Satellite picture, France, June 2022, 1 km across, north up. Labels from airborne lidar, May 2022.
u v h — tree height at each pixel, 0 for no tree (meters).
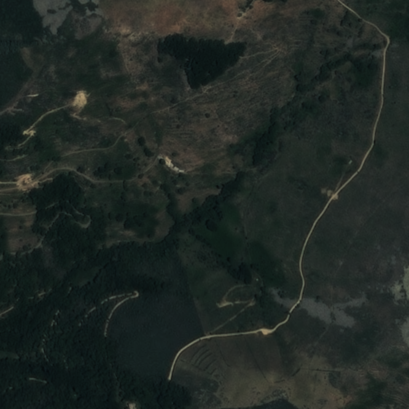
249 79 0
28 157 0
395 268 0
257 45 0
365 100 0
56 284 8
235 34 0
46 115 0
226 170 0
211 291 0
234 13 0
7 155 10
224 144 0
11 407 13
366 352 0
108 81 0
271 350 0
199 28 0
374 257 0
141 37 0
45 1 0
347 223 0
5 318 9
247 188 0
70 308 8
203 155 0
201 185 0
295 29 0
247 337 0
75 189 11
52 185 14
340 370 0
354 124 0
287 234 0
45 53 0
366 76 0
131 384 7
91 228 10
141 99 0
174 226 16
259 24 0
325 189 0
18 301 9
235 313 0
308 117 0
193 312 0
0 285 15
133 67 0
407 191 0
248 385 0
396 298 0
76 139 0
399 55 0
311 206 0
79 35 0
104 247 10
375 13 0
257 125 0
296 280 0
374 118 0
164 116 0
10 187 0
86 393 14
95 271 0
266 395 0
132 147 0
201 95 0
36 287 7
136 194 0
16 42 11
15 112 0
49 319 12
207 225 12
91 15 0
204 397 0
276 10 0
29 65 0
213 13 0
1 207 0
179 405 17
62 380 25
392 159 0
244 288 0
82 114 0
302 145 0
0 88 0
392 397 0
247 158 0
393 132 0
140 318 0
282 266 0
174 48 20
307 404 0
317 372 0
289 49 0
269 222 0
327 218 0
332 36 0
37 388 6
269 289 0
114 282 10
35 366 10
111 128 0
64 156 0
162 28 0
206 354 0
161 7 0
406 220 0
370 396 0
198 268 0
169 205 14
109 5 0
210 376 0
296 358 0
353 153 0
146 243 12
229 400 0
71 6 0
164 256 7
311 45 0
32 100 0
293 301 0
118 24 0
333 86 0
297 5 0
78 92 0
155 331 0
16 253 9
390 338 0
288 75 0
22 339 14
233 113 0
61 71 0
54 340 11
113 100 0
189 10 0
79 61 0
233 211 0
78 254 13
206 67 24
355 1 0
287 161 0
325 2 0
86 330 12
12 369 11
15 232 0
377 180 0
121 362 0
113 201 0
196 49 21
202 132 0
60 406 13
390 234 0
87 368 12
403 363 0
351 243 0
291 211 0
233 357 0
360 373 0
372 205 0
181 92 0
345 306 0
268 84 0
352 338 0
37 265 8
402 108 0
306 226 0
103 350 11
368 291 0
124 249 22
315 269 0
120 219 16
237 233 0
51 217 10
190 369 0
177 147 0
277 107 12
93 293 10
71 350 13
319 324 0
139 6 0
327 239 0
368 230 0
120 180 0
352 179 0
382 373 0
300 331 0
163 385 16
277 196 0
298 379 0
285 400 0
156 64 0
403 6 0
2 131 12
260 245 0
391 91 0
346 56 10
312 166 0
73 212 16
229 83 0
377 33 0
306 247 0
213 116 0
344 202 0
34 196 16
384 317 0
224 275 0
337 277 0
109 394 12
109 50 0
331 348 0
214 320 0
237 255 0
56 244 8
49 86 0
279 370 0
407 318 0
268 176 0
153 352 0
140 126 0
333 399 0
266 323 0
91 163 0
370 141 0
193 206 0
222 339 0
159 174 0
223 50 19
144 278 12
